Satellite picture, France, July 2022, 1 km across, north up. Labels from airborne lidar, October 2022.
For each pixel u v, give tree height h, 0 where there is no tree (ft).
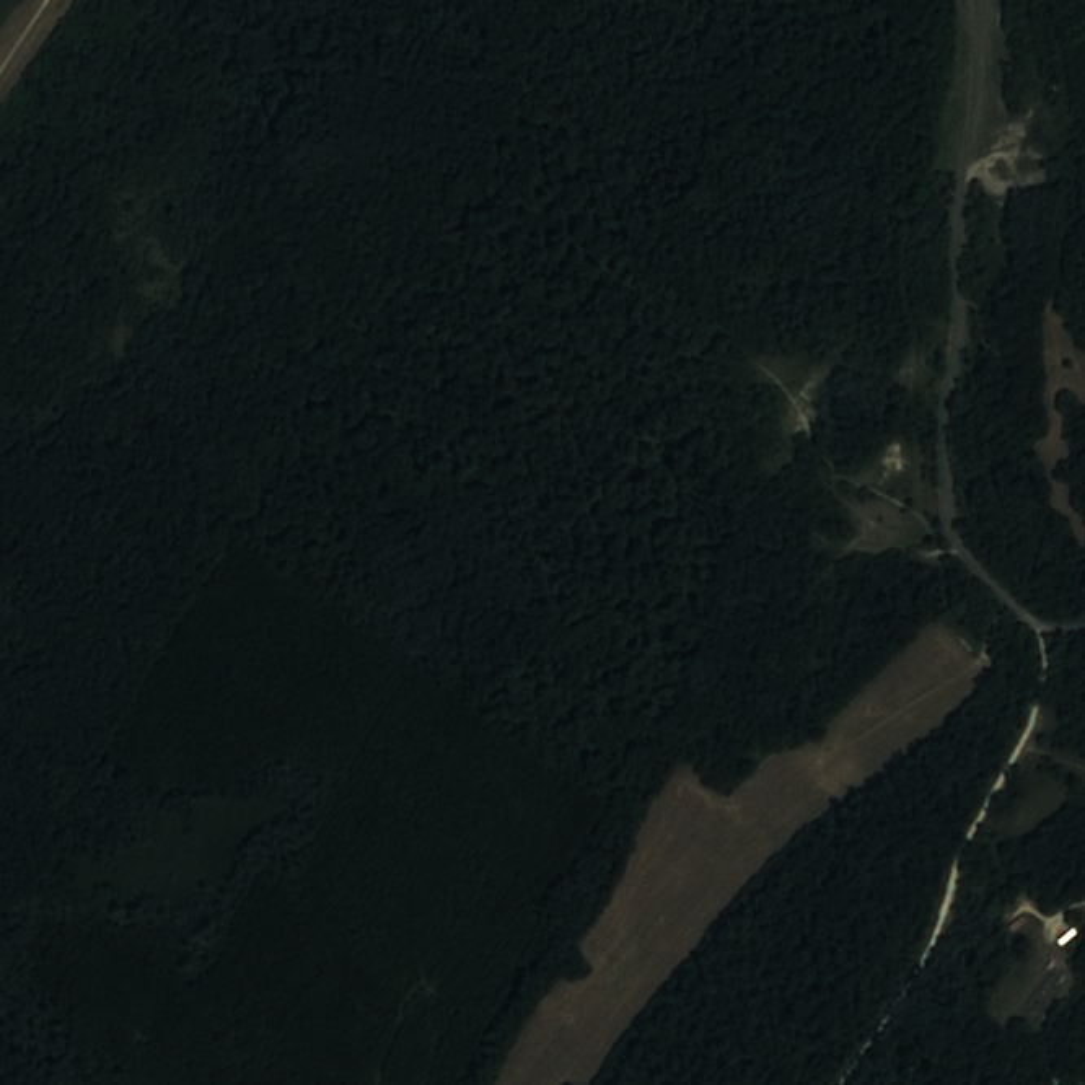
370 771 26
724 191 30
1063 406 28
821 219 80
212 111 44
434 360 84
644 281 72
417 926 36
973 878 23
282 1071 19
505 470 74
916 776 75
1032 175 0
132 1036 20
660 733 63
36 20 0
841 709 19
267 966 30
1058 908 31
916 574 47
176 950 27
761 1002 57
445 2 24
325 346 85
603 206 92
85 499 76
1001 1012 0
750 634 72
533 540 73
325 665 24
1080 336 45
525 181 73
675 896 0
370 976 23
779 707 70
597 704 88
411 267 84
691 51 70
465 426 82
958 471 37
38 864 73
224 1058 24
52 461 64
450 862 33
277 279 92
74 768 83
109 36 24
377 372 79
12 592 55
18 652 68
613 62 73
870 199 74
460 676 22
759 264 50
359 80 85
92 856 21
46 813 74
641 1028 57
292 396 95
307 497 77
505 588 88
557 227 43
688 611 79
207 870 0
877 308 55
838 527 43
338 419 76
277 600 32
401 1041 23
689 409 69
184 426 67
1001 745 50
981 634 43
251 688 31
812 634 52
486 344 74
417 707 33
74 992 33
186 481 75
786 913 50
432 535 52
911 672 0
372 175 83
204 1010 35
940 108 41
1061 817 38
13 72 0
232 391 83
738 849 0
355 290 77
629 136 86
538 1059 0
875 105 68
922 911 40
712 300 36
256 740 27
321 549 94
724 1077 55
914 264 38
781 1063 65
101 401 60
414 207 92
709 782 48
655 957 0
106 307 32
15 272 39
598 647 83
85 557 67
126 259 22
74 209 38
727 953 66
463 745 42
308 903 21
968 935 32
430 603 27
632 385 65
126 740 31
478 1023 28
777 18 88
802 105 83
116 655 73
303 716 28
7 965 82
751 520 79
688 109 72
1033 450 24
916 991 89
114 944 31
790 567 65
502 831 26
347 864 30
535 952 23
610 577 93
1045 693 49
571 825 30
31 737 84
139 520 68
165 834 0
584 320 69
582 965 75
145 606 72
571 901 72
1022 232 68
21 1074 76
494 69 79
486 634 70
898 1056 25
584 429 58
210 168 17
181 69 61
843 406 77
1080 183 32
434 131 93
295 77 83
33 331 41
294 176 88
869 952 57
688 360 61
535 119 80
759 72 91
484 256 93
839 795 0
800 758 0
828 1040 89
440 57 70
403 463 67
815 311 62
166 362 74
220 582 33
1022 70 34
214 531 73
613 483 89
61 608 72
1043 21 20
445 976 23
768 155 46
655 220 79
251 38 89
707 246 83
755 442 60
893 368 31
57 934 21
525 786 31
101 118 26
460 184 93
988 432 48
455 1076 20
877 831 74
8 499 78
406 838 30
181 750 30
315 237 80
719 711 60
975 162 0
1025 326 70
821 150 68
